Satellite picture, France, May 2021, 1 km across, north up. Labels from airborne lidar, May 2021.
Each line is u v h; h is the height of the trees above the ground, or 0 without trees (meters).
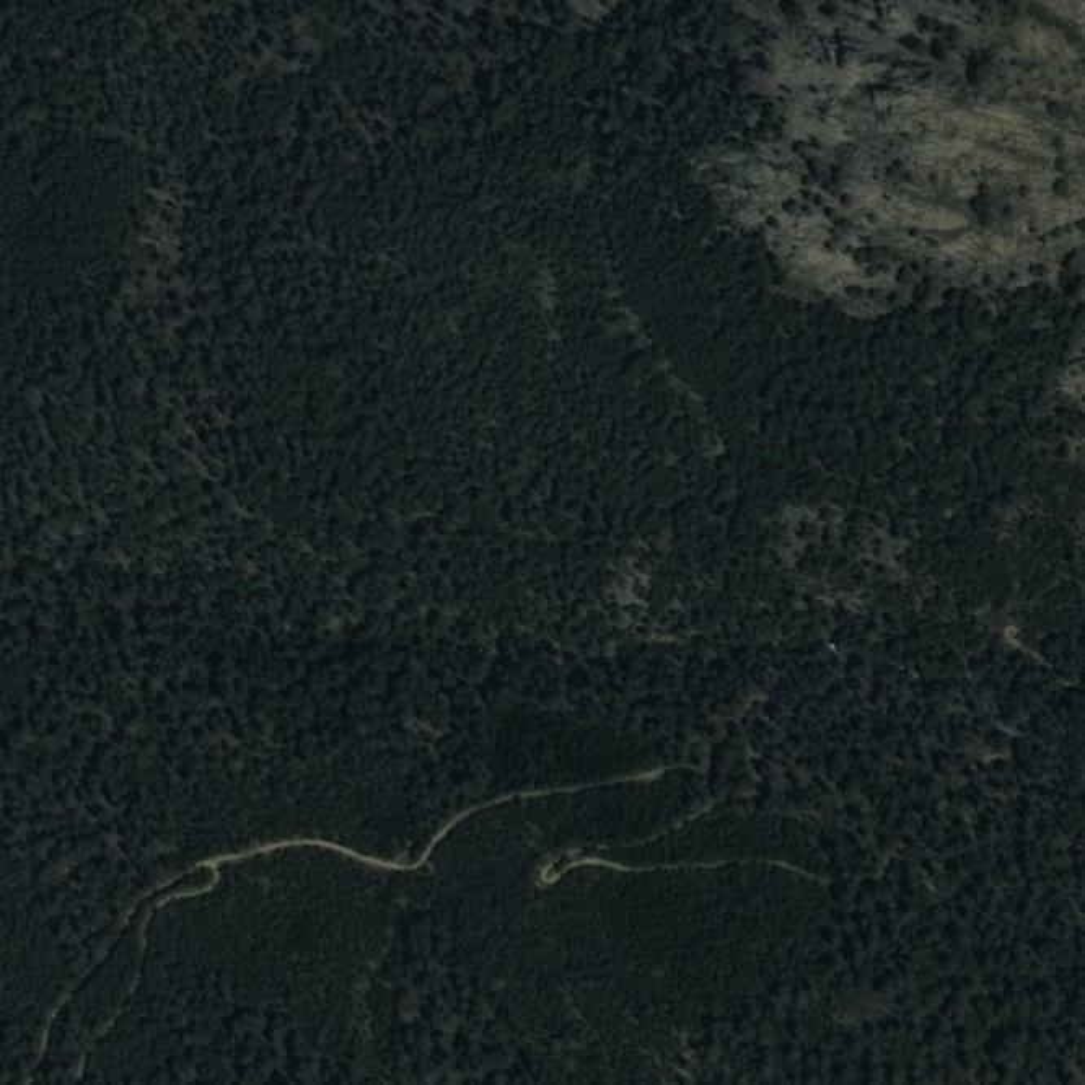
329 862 10
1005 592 13
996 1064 9
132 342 31
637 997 11
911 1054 12
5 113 28
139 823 31
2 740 11
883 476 29
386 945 11
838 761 33
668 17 17
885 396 19
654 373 23
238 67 26
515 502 23
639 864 14
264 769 14
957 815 8
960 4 7
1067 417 26
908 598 11
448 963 27
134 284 31
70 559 33
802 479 17
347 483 24
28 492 25
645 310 15
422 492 18
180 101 21
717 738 30
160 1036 13
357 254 19
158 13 29
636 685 34
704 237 15
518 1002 11
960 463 32
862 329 26
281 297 30
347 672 23
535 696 26
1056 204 0
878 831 10
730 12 11
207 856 11
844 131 0
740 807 30
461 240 14
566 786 17
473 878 9
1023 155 0
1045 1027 7
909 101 0
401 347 17
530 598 15
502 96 30
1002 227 0
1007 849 8
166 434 26
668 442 17
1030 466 28
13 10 23
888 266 9
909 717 25
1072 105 0
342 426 8
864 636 24
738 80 8
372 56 19
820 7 0
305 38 28
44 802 24
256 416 31
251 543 21
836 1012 8
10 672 15
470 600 20
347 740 34
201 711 30
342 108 26
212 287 28
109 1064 12
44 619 32
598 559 30
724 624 30
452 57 34
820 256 0
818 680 24
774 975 12
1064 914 23
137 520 22
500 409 7
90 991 20
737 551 17
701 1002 11
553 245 9
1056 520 10
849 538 17
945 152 0
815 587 6
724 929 6
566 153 14
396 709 30
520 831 7
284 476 21
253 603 29
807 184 11
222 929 12
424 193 16
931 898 30
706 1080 9
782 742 37
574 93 17
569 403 14
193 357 19
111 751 27
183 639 24
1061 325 23
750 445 23
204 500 18
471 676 29
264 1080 26
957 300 26
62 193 19
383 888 10
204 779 18
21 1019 14
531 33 28
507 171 19
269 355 30
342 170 20
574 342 12
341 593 23
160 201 21
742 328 20
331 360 29
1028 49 0
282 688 23
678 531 19
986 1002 26
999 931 27
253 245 12
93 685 29
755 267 24
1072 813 29
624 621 21
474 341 13
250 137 16
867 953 29
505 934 12
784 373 27
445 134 19
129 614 37
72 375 31
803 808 35
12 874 13
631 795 12
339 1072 11
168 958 18
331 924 12
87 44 18
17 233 17
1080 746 24
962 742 26
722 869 9
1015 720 22
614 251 12
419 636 20
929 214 0
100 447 25
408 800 10
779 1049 9
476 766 33
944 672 16
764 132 11
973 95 0
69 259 22
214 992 25
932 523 22
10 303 10
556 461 20
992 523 23
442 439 15
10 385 23
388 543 30
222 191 19
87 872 27
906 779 32
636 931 10
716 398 21
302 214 26
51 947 12
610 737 12
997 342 12
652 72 31
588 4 0
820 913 13
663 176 17
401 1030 8
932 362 20
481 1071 25
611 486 12
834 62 0
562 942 7
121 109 22
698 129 20
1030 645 10
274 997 12
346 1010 11
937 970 10
